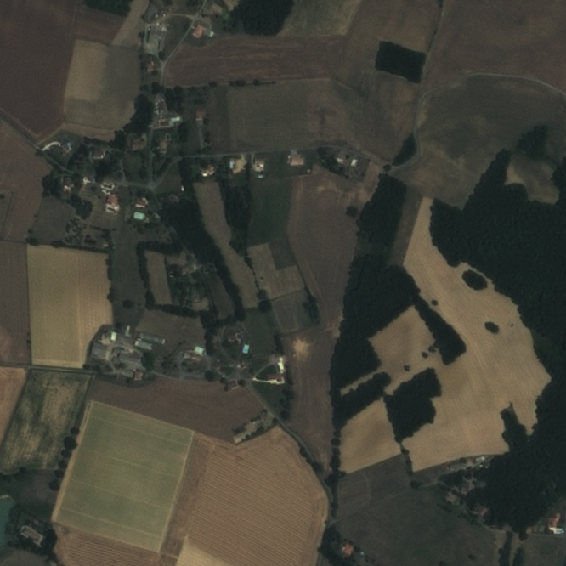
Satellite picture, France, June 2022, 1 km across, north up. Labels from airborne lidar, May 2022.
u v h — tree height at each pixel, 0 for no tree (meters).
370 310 17
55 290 0
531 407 0
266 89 0
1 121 0
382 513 0
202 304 0
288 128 0
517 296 13
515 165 0
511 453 13
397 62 14
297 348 0
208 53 0
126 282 0
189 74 0
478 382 0
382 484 0
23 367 0
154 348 0
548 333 18
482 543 0
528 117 0
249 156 0
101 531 0
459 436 0
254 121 0
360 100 0
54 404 0
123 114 0
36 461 0
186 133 13
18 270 0
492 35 0
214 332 15
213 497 0
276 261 0
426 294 0
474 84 0
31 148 0
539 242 18
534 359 0
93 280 0
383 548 0
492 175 17
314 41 0
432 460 0
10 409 0
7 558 0
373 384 15
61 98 0
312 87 0
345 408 17
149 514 0
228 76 0
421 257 0
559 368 16
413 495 0
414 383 14
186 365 7
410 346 0
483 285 13
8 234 0
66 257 0
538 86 0
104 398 0
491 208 14
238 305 13
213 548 0
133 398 0
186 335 0
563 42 0
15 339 0
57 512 0
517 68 0
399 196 12
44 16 0
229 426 0
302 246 0
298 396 0
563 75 0
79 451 0
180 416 0
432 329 14
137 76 0
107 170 16
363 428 0
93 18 0
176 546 0
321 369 0
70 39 0
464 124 0
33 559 0
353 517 0
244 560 0
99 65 0
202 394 0
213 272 6
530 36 0
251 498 0
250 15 18
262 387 0
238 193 21
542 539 0
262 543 0
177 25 0
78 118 0
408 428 12
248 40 0
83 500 0
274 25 16
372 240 13
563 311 20
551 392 19
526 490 17
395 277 15
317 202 0
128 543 0
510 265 16
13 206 0
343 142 0
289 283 0
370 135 0
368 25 0
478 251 18
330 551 14
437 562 0
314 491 0
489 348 0
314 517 0
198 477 0
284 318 0
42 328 0
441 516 0
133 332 0
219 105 0
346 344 10
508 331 0
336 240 0
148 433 0
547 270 15
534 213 18
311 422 0
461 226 15
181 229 13
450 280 0
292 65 0
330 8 0
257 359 0
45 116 0
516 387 0
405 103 0
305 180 0
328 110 0
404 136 0
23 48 0
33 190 0
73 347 0
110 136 0
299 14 0
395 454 0
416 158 0
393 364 0
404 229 0
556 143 0
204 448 0
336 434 11
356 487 0
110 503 0
